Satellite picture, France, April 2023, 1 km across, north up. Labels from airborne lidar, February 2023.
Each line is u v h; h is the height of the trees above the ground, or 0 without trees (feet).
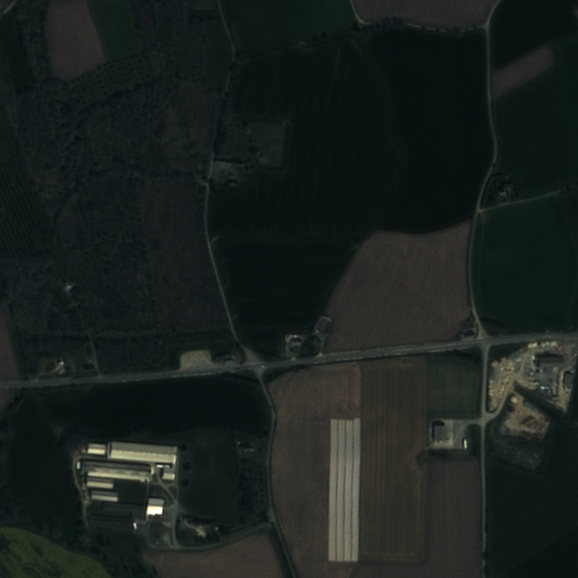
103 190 51
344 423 0
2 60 40
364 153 0
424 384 0
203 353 0
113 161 41
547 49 0
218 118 24
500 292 0
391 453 0
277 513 0
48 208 34
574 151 0
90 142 45
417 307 0
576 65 0
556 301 0
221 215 0
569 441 0
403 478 0
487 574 41
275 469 0
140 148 68
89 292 42
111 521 0
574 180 0
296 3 0
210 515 0
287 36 0
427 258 0
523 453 0
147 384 0
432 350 0
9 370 0
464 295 0
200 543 28
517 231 0
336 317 0
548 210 0
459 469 0
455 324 0
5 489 25
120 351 45
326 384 0
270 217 0
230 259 0
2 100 34
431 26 0
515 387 0
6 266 54
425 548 0
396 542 0
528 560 0
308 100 0
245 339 0
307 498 0
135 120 47
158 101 43
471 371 0
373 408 0
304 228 0
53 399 0
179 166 33
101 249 43
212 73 0
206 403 0
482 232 0
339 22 0
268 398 0
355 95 0
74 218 48
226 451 0
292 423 0
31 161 31
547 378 0
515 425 0
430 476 0
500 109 0
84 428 0
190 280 30
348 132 0
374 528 0
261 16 0
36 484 0
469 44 0
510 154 0
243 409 0
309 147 0
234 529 26
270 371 0
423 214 0
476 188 0
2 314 0
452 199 0
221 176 0
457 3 0
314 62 0
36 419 0
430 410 0
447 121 0
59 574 0
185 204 32
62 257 61
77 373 0
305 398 0
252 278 0
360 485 0
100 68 25
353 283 0
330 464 0
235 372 0
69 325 47
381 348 0
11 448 0
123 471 0
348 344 0
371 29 28
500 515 0
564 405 0
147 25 46
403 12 0
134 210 48
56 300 55
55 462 0
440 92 0
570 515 0
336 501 0
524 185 0
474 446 0
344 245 0
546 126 0
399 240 0
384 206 0
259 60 0
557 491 0
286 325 0
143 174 72
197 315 30
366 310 0
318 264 0
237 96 0
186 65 39
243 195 0
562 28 0
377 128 0
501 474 0
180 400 0
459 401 0
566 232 0
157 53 38
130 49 0
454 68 0
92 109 45
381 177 0
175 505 0
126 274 35
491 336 0
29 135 39
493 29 0
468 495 0
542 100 0
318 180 0
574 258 0
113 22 0
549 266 0
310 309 0
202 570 0
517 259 0
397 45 0
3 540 0
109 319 41
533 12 0
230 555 0
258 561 0
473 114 0
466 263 0
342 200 0
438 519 0
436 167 0
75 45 0
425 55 0
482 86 0
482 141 0
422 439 0
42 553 0
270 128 0
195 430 47
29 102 52
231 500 0
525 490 0
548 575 0
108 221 41
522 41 0
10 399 0
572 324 0
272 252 0
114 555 0
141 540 0
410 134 0
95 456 0
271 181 0
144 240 31
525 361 0
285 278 0
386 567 0
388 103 0
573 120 0
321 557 0
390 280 0
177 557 0
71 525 0
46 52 42
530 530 0
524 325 0
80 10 0
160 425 0
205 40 48
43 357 36
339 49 0
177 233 36
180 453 0
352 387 0
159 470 0
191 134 25
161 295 32
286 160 0
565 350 0
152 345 40
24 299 67
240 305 0
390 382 0
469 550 0
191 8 0
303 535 0
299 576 0
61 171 44
